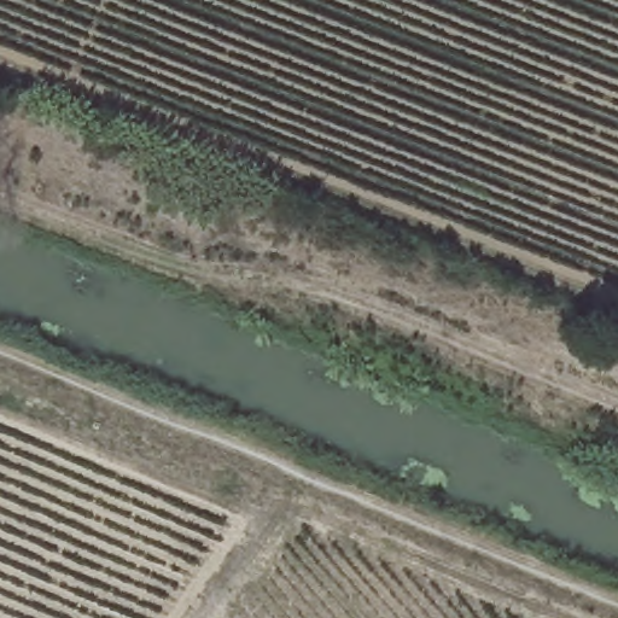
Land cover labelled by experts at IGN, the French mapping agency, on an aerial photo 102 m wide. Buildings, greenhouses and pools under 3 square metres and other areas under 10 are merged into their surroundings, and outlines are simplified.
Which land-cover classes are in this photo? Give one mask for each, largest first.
<instances>
[{"label":"vineyard","instance_id":"1","mask_svg":"<svg viewBox=\"0 0 618 618\"><path fill-rule=\"evenodd\" d=\"M0 63L17 70H31L34 87L56 84L72 99L89 101L92 109H106L118 116H126L128 123H142L157 135L167 138L169 147L188 140L196 147H208L229 162L246 159L251 167H258L261 176L270 179L275 186L307 196L311 193L323 203H340L352 215L374 222L384 232H389L391 227H401L430 244L449 246L451 253H456L459 258H476L488 268L512 275L514 280L541 290V295H560L577 309L579 316H589L599 307L618 309V0H0ZM270 514V507L266 505H244L239 512H234L232 507L217 505L179 485L147 476L126 461L111 459L92 444L68 439L60 432L34 425L27 418H19L0 408V618H500L492 604L468 599L464 591H456L451 596L447 589H442L439 582L430 579L427 575H415L410 567L393 570L389 560L379 555L369 558L352 538H326L328 524H323L321 519L302 524L299 534L287 541L282 536H268L261 531Z\"/></svg>","mask_w":618,"mask_h":618},{"label":"deciduous trees","instance_id":"2","mask_svg":"<svg viewBox=\"0 0 618 618\"><path fill-rule=\"evenodd\" d=\"M14 111L22 118L27 116L34 126L58 123L77 128L82 133L84 152L99 159H116L121 169L133 174V181L147 183L150 215L183 212L188 222H198L200 227L205 222H217L222 232H229V227L239 220L237 210H253L256 215L253 220H249L251 232H256L261 222H273L275 229L266 232L263 239L287 244L290 234L297 229L299 241H311L321 251H328L365 246L369 256L379 263H413L418 268H422L425 263H435V280L439 282H451L464 290L488 282L497 287L502 295L529 297V309L553 307L558 311L560 336L567 350L577 357L587 367L596 369H611L618 365V309L599 307L589 316H579L577 309L560 295H541V290L514 280L512 275L488 268L476 258H459L456 253H451L449 246L430 244L401 227H391L389 232H384L374 222L352 215L340 203H323L311 193L307 196L275 186L270 179L261 176L258 167H251L246 159L229 162L208 147H196L188 140L169 147L167 138L157 135L142 123H128L126 116H118L106 109H92L89 101L72 99L56 84L34 87L31 70H17L0 63V113L7 116ZM0 237L12 241L17 239V244L24 249L60 256L80 268L99 270L111 278H123L147 292H155L157 297L205 311L229 331H246L258 345H280L290 352H299L309 360H316L326 367V377L333 384L343 389H367L372 398L381 406H401V410L406 413L432 410L442 418L461 422L464 427H473L505 442H512L519 449L531 451L541 456L546 464L555 466L560 476L577 490L584 505H611L618 512V413L606 410L604 406H584L579 415L567 420L558 430L543 427L531 413V403L521 393L526 379L512 372V377L502 386H488L459 372L449 360L439 355V350L427 345V336L422 333H401L391 326H379L374 316L357 319L352 328L343 326L340 331H336V319L331 316L326 302H323L319 311L311 316V321L304 326L299 321H285L273 309L244 299L239 287L205 285L200 290L186 282L183 278H167L123 256L109 253L99 246H89L77 237L46 229L39 220H24L17 212H5L0 208ZM140 215L118 210L113 225H123L130 232L140 227ZM159 244L164 249L183 251L198 261L191 239L176 232H164L159 237ZM208 261L256 258V251L241 249L237 244H210L205 246ZM0 343L31 352L43 362L72 372L82 379L113 386L142 401L145 406L167 408L181 418L217 427L251 447L266 449L333 483L352 485L391 505H406L420 514H437L444 524H456L492 536L497 543L529 553L541 562L562 570L572 579L594 584L599 589L618 591V558L589 553L582 546H577V550L567 558L565 550L553 548L543 541H524L519 534L526 529L524 521H529V512L524 507H509L512 517H507L500 526L476 507L456 505L451 495L442 488L447 483V476L439 468H430L422 483L401 476L398 471L389 473L386 478H379L365 468L360 456H338L340 447L316 435H290L285 427H275L268 418L232 415L227 403L186 393L179 386H167L147 374L128 372L121 365H104L97 357L80 360L63 348H53L58 343V336L48 333L36 316H27L22 311L0 314Z\"/></svg>","mask_w":618,"mask_h":618},{"label":"herbaceous vegetation","instance_id":"3","mask_svg":"<svg viewBox=\"0 0 618 618\"><path fill-rule=\"evenodd\" d=\"M0 208L5 212H17L24 220H39L46 229L77 237L89 246H99L109 253L123 256L167 278H183L186 282L200 290L205 285L239 287L244 299L273 309L285 321H299L304 326L311 321V316L319 311L323 302H311L304 292L285 287L278 278L280 273L311 275V263L321 251L311 241H299L297 229L290 234L287 244L263 239L266 232L275 229L273 222H261L256 232H251L249 220H253L256 215L253 210H237L239 220L229 227V232H222L217 222H205L200 227L198 222H188L183 212L150 215L147 183L133 181V174L121 169L116 159H99L84 152L82 133L77 128L58 123L34 126L27 116L22 118L14 111L7 116L0 113ZM118 210L140 215V227L130 232L123 225H113ZM164 232H176L191 239L198 261L183 251L164 249L159 244V237ZM210 244H237L241 249L256 251V258L208 261L205 246ZM331 268L338 275H352L360 282H369V287H362V295L381 297L391 304L406 307L413 314L435 319L437 323L451 326L461 333H490L509 345L521 348L536 338L550 343L560 336L558 311L553 307L529 309V297L502 295L497 287L488 282L464 290L451 282H439L435 280V263H425L422 268H418L413 263H379L369 256L365 246L328 251ZM331 316L336 319V331H340L343 326L352 328L357 319L350 309L336 302H326ZM439 355L449 360L459 372L488 386H502L512 377V372L488 367L485 360L461 352L454 345H444L439 350ZM0 408L19 418H27L34 425L60 432L68 439L92 444L111 459L126 461L147 476L179 485L217 505L232 507L234 512H239L244 505H266L270 507V514L261 531L268 536H282L287 541L299 534L302 524L321 519L323 524H328L326 538H352L369 558L379 555L389 560L393 570L410 567L415 575H427L430 579L439 582L442 589H447L451 596L456 591H464L468 599L492 604L500 618H618V613L604 604L587 599L584 594L555 587L500 560L456 546L451 541L437 538L427 531L384 517L374 509H367L348 497L307 485L239 451L225 449L208 439H198L193 435L176 432L162 422L140 418L130 410L94 398L92 393L75 389L65 381L51 379L36 369L0 357ZM572 377L589 379L591 384H604L618 391V365L611 369H596L587 367L577 357L570 367ZM521 393L531 403V413L543 427L558 430L567 420L579 415L584 406H589L582 398L548 389L541 381L526 379Z\"/></svg>","mask_w":618,"mask_h":618},{"label":"water","instance_id":"4","mask_svg":"<svg viewBox=\"0 0 618 618\"><path fill-rule=\"evenodd\" d=\"M22 311L27 316H36L48 333L58 336V343L53 348H63L80 360L97 357L104 365H121L128 372L147 374L167 386H179L186 393L227 403L232 415L268 418L275 427H285L290 435H316L340 447L338 456H360L365 468L379 478H386L389 473L398 471L401 476L422 483L430 468H439L447 476V483L442 488L451 495L456 505L476 507L500 526L507 517H512L509 507H524L529 512V521H524L526 529L519 534L524 541H543L553 548L565 550L567 558L577 550V546H582L589 553L618 558V512L611 505H584L577 490L560 476L555 466L546 464L541 456L531 451L519 449L512 442H505L473 427H464L461 422L442 418L432 410L406 413L401 410V406H381L372 398L367 389H343L333 384L326 377V367L316 360H309L299 352H290L280 345H258L246 331H229L205 311L157 297L155 292H147L123 278H111L99 270L80 268L60 256L24 249L17 244V239L12 241L0 237V314Z\"/></svg>","mask_w":618,"mask_h":618},{"label":"pervious surface","instance_id":"5","mask_svg":"<svg viewBox=\"0 0 618 618\"><path fill-rule=\"evenodd\" d=\"M278 278L285 287L304 292L311 302H336L350 309L357 319L374 316L379 326H391L401 333H422L427 336V345L439 350L444 345H454L461 352L485 360L488 367L512 372L526 379L541 381L548 389L582 398L589 406H604L606 410L618 413V391L604 384H591L589 379L572 377L570 367L577 357L567 350L560 336L550 343L536 338L521 348L509 345L490 333H461L451 326L437 323L435 319L413 314L406 307L391 304L381 297L362 295V287H369V282H360L352 275H338L331 268L328 251H321L311 263V275L280 273ZM0 357L36 369L51 379L65 381L75 389L92 393L94 398L130 410L140 418L162 422L176 432L193 435L198 439H208L225 449L239 451L307 485L348 497L367 509H374L384 517L427 531L437 538L451 541L456 546L500 560L555 587L584 594L587 599L604 604L618 613V591L599 589L594 584L572 579L562 570L541 562L529 553L497 543L492 536L456 524H444L437 514H420L406 505H391L352 485L333 483L266 449L251 447L217 427L181 418L167 408L145 406L142 401L113 386L82 379L72 372L43 362L31 352L0 343Z\"/></svg>","mask_w":618,"mask_h":618}]
</instances>
